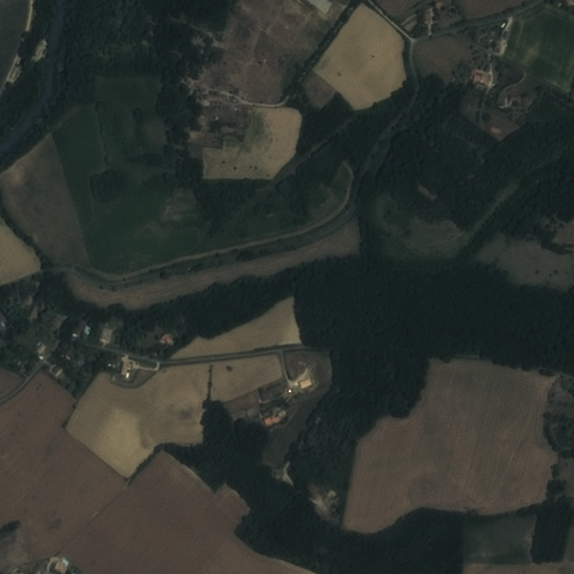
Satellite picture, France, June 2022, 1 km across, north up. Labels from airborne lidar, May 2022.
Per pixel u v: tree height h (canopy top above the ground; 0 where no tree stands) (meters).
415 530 14
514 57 0
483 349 20
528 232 13
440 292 26
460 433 0
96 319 17
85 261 0
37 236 0
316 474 5
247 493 12
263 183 8
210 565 0
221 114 0
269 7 0
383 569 13
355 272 21
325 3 0
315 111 8
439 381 0
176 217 0
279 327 0
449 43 0
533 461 0
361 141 15
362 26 0
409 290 28
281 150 0
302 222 11
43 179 0
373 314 23
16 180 0
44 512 0
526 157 15
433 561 16
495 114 0
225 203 9
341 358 12
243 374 0
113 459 0
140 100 0
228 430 21
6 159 27
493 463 0
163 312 16
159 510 0
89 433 0
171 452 14
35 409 0
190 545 0
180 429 0
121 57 9
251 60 0
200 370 0
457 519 9
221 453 12
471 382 0
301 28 0
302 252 0
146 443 0
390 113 15
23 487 0
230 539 0
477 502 0
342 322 22
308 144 9
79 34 12
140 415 0
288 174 0
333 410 12
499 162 20
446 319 27
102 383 0
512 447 0
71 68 15
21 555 0
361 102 0
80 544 0
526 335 22
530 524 0
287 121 0
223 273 0
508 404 0
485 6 0
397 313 25
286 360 0
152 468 0
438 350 23
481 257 0
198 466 8
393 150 12
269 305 14
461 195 18
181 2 14
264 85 0
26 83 17
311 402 0
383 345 22
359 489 0
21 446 0
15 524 6
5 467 0
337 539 10
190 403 0
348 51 0
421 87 12
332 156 16
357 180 12
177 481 0
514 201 16
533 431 0
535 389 0
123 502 0
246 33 0
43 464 0
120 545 0
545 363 9
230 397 0
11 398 0
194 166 18
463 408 0
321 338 18
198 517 0
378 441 0
